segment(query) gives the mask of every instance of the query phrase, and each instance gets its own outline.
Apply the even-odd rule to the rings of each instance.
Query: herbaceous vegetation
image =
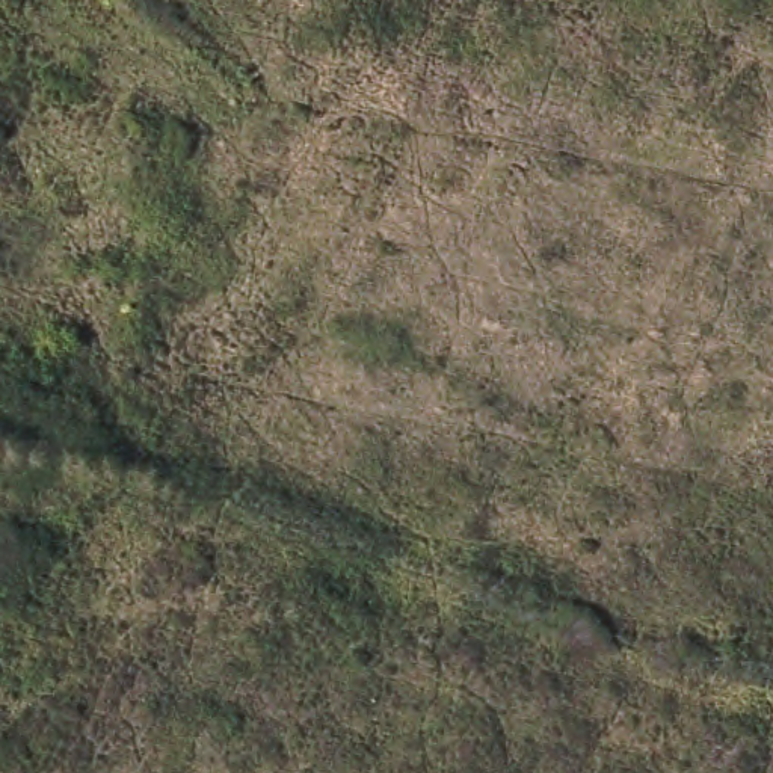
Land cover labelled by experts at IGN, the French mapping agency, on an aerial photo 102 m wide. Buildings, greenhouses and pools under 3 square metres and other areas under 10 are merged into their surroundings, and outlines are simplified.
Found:
[[[0,0],[0,773],[773,773],[773,0]]]

